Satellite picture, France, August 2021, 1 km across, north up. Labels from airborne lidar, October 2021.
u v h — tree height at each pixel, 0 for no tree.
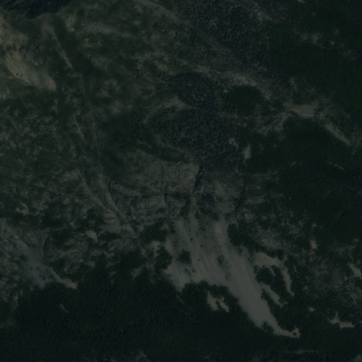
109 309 24
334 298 13
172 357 15
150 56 0
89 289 19
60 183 0
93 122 0
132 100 0
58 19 0
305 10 9
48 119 0
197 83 10
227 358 10
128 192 0
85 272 9
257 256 0
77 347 14
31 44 0
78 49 0
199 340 15
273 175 8
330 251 9
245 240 15
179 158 0
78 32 0
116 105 0
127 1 0
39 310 13
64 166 0
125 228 0
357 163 13
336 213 16
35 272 0
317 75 12
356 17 14
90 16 0
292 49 15
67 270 7
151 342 15
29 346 15
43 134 0
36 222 0
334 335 17
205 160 7
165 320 21
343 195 13
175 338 14
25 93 0
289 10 9
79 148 0
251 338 16
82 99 0
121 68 0
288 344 13
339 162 14
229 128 9
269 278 13
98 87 0
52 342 14
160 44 0
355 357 14
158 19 0
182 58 0
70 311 16
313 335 14
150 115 0
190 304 10
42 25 0
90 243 6
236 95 9
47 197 0
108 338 18
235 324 20
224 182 0
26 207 0
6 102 0
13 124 0
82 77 0
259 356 13
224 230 0
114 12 0
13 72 0
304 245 9
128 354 17
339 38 12
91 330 18
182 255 8
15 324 11
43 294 9
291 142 7
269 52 9
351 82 18
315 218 11
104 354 15
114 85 0
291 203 9
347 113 6
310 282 7
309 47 9
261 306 0
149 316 21
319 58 16
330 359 11
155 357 17
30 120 0
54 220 6
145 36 0
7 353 13
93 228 12
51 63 0
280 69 12
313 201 14
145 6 0
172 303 8
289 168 10
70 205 0
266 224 9
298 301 17
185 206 11
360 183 17
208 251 0
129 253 6
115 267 9
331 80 15
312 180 11
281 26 6
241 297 0
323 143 11
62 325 10
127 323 23
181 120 7
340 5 12
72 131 0
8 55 0
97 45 0
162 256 12
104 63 0
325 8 11
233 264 0
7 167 0
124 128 0
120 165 0
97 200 0
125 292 21
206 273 0
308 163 9
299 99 6
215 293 11
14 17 0
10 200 0
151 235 12
